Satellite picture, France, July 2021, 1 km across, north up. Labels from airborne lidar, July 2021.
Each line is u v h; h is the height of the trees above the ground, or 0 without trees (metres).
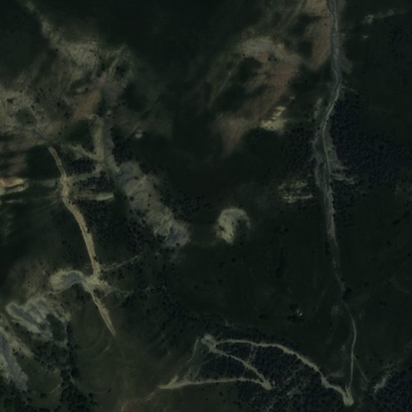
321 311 0
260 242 0
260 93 0
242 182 0
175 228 0
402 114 0
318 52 0
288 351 0
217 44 0
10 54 0
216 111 0
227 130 0
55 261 0
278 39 0
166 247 0
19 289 0
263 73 0
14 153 0
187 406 0
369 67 0
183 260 0
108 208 13
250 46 0
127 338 0
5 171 0
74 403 21
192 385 0
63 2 0
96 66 0
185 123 0
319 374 13
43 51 0
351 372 0
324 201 0
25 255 0
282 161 0
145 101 0
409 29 0
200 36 0
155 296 0
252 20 0
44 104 0
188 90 0
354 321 0
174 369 0
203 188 0
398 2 0
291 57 0
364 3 0
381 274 0
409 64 0
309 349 0
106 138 0
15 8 0
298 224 0
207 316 9
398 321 0
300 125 7
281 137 0
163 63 0
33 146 0
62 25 0
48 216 0
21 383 0
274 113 0
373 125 0
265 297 0
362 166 9
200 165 0
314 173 7
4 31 0
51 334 0
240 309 0
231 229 0
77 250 0
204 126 0
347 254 0
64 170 0
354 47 0
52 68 0
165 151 0
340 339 0
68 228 0
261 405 11
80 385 0
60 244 0
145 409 0
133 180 0
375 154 7
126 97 0
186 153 0
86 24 0
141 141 0
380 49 0
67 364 10
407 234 0
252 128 0
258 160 0
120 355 0
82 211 0
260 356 10
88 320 0
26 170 0
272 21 0
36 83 0
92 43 0
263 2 0
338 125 9
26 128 0
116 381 0
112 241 0
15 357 0
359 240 0
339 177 0
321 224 0
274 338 12
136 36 0
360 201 0
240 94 0
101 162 0
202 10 0
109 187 6
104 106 0
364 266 0
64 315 0
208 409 0
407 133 0
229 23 0
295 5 0
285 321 0
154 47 0
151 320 0
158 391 0
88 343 0
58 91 0
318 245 0
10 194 0
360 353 0
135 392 0
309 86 0
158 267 0
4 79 0
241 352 6
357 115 6
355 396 0
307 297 0
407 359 0
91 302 0
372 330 0
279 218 0
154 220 0
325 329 0
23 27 0
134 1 0
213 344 0
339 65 0
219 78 0
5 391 13
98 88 0
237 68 0
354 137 7
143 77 0
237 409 0
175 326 0
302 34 0
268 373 14
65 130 0
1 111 0
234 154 0
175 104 0
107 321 0
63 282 0
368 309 0
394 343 0
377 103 0
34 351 6
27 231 0
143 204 0
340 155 12
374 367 0
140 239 11
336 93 0
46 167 0
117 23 0
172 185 0
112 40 0
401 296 0
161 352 0
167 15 0
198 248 0
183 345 0
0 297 0
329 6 0
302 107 0
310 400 11
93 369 0
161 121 0
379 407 10
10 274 0
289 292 0
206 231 0
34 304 0
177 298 12
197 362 0
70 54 0
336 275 0
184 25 0
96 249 0
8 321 0
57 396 0
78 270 0
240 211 0
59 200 0
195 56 0
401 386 13
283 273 13
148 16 0
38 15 0
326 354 0
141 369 0
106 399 0
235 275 0
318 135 0
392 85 0
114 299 0
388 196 0
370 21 0
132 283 0
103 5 0
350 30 0
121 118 0
